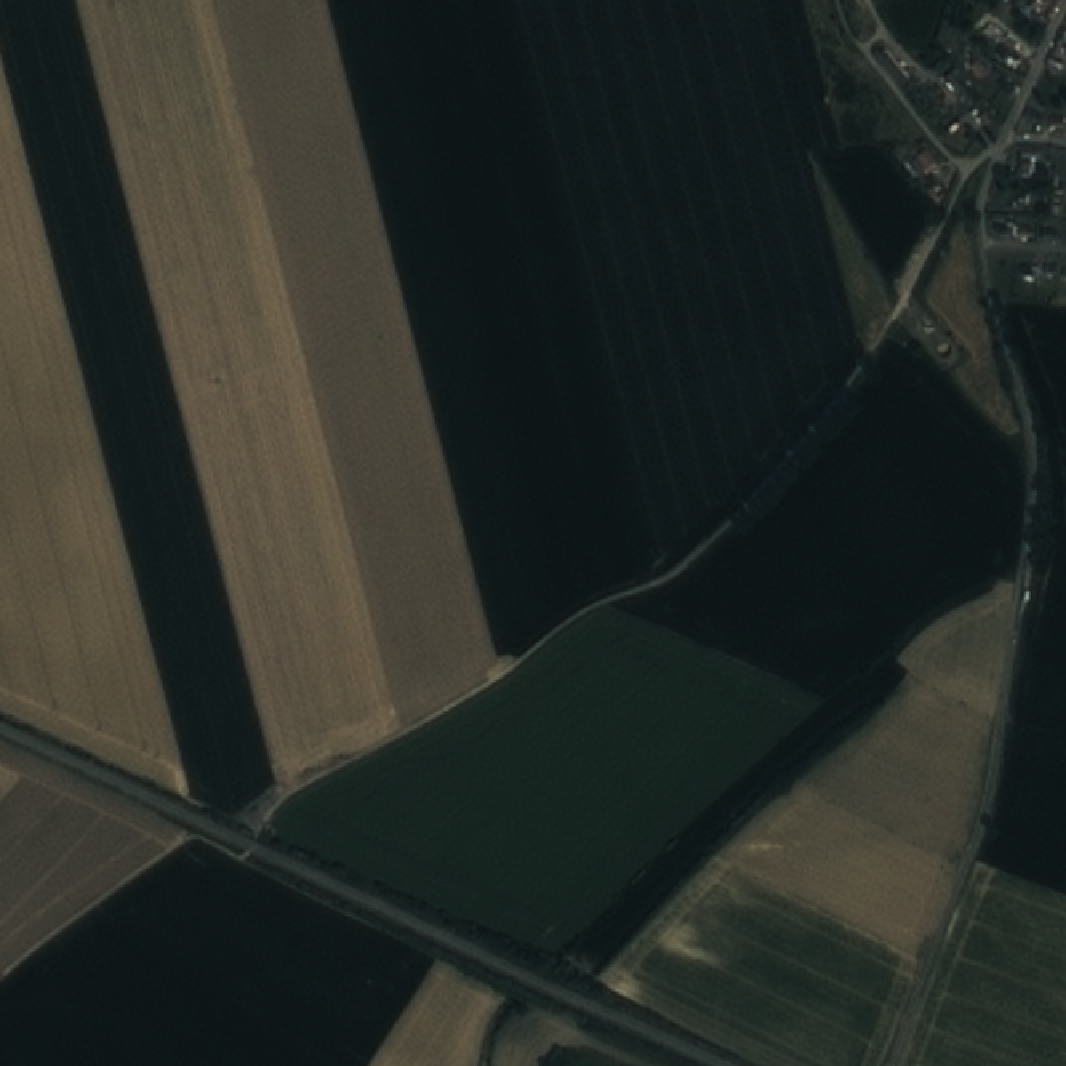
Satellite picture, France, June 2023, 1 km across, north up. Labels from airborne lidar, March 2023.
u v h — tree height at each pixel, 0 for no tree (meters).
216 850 0
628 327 0
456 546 0
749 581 0
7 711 0
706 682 0
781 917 0
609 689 0
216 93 0
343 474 0
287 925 0
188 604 0
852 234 0
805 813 0
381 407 0
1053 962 0
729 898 0
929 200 6
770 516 0
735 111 0
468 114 0
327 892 7
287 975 0
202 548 0
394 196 0
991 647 0
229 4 0
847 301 0
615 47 0
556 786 0
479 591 0
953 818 0
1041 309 0
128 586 0
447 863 0
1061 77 0
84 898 0
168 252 0
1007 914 0
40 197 0
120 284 0
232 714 0
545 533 0
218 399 0
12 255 0
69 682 0
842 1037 0
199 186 0
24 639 0
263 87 0
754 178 0
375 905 0
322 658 0
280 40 0
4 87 0
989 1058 0
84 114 0
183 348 0
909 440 0
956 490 0
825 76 0
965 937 0
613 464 0
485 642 0
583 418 0
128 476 0
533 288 0
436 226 0
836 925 0
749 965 0
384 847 0
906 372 0
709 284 0
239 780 0
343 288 0
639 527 0
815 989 0
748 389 0
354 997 0
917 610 0
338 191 0
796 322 0
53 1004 0
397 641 0
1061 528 0
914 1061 0
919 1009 0
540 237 0
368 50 0
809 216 0
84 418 0
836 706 0
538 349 0
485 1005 0
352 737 0
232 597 0
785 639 0
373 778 0
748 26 0
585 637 0
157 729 0
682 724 0
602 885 0
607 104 0
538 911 0
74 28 0
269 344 0
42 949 0
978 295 0
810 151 0
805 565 0
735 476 0
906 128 0
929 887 0
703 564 0
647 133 0
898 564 0
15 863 0
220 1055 0
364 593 0
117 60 0
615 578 0
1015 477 0
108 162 0
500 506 0
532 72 0
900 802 0
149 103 0
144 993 0
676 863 0
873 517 0
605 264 0
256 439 0
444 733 0
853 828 0
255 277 0
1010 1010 0
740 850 0
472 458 0
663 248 0
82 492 0
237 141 0
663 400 0
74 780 0
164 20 0
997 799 0
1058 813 0
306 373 0
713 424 0
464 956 6
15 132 0
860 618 0
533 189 0
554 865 0
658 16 0
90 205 0
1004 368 10
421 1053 0
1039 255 0
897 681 0
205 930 0
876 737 0
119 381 0
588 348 0
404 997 0
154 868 0
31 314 0
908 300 0
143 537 0
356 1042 0
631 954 0
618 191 0
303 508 0
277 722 0
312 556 0
